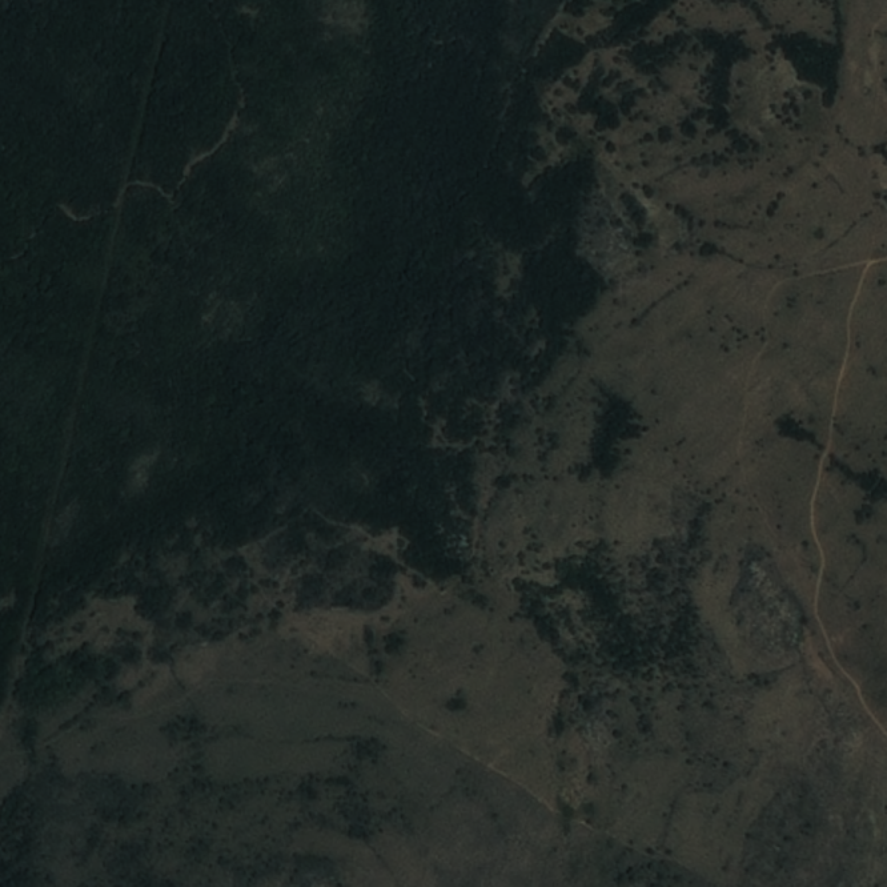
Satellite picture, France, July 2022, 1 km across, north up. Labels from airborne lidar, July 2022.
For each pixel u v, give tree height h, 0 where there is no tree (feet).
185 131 22
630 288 0
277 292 28
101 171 18
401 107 30
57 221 22
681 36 22
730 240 0
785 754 0
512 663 0
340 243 28
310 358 21
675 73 0
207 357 36
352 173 25
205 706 0
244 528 20
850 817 0
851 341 0
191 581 18
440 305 27
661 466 0
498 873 0
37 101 31
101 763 0
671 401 0
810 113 0
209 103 23
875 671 0
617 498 0
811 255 0
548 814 0
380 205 28
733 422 0
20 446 21
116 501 34
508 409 23
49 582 43
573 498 0
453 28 24
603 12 20
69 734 0
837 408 0
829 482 0
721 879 0
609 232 0
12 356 25
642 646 27
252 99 24
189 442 27
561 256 21
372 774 0
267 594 0
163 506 37
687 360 0
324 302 18
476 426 21
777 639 0
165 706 0
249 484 23
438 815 0
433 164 30
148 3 24
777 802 0
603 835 0
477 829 0
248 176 24
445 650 0
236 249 23
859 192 0
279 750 0
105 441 23
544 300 26
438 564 25
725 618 0
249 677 0
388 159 25
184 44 23
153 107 28
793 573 0
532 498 0
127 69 23
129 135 24
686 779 0
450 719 0
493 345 29
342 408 26
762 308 0
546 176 22
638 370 0
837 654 0
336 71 24
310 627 0
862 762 0
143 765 0
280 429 22
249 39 21
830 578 0
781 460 0
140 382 24
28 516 26
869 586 0
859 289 0
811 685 0
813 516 0
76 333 20
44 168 21
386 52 36
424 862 0
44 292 23
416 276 40
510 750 0
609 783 0
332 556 21
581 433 0
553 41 25
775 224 0
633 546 0
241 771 0
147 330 39
